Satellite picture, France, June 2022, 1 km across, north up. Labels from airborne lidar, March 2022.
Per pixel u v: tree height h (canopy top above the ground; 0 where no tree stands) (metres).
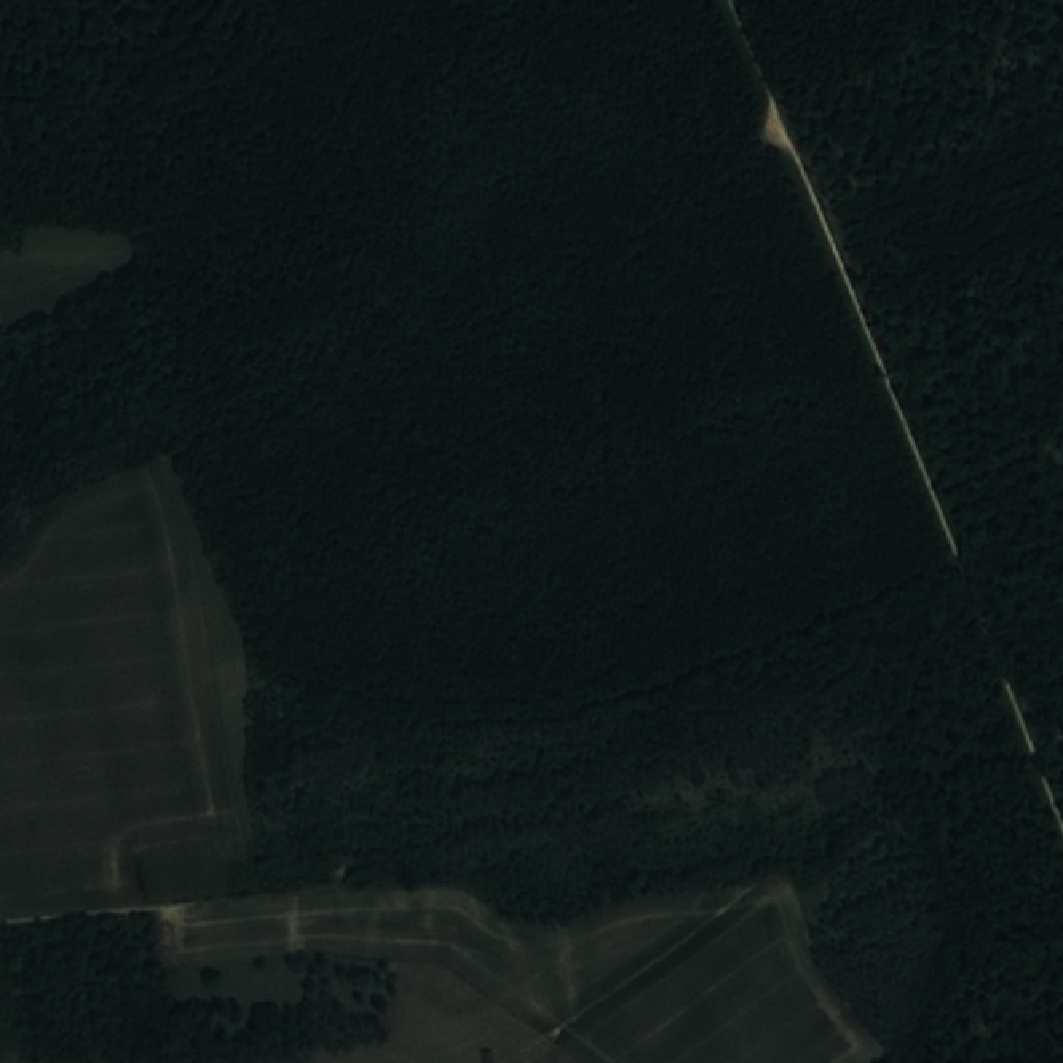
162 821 0
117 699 0
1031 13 26
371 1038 12
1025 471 11
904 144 21
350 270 12
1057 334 21
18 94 26
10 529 16
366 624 11
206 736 0
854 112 20
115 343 16
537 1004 0
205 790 0
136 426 19
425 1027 0
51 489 16
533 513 10
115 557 0
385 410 10
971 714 24
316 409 10
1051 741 19
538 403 16
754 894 0
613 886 15
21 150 24
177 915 0
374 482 11
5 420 18
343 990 0
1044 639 19
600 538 6
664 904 0
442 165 14
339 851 12
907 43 23
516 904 9
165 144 18
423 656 11
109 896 0
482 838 19
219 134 21
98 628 0
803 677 17
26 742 0
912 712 23
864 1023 12
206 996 0
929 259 8
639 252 12
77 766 0
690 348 19
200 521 8
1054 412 19
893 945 20
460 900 0
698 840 12
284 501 13
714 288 16
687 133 15
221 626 0
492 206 11
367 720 16
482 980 0
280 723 8
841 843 14
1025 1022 5
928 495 9
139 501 0
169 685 0
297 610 11
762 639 8
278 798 9
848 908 19
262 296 19
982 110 21
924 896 22
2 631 0
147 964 18
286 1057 22
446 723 19
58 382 16
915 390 20
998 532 22
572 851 13
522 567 10
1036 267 23
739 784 10
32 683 0
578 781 19
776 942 0
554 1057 0
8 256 0
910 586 22
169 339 21
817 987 0
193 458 14
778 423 7
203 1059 25
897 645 24
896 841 10
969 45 29
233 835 0
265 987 0
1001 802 21
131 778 0
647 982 0
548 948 0
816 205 0
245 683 0
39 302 0
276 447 6
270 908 0
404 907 0
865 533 9
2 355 20
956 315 22
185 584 0
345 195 22
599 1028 0
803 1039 0
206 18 23
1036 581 18
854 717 18
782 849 5
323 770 20
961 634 22
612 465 9
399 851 14
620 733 19
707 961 0
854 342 13
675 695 23
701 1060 0
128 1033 20
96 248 0
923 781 16
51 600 0
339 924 0
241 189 19
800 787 0
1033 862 20
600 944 0
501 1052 0
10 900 0
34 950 15
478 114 16
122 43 21
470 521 15
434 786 7
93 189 16
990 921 20
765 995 0
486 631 11
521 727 17
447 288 10
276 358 16
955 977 21
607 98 15
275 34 21
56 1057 6
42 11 23
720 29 22
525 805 15
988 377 22
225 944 0
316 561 11
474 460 14
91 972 10
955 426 20
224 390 17
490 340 15
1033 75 25
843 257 0
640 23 19
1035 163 6
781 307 17
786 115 14
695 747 20
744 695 18
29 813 0
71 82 27
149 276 20
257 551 7
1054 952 18
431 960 0
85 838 0
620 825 18
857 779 11
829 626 25
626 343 19
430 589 9
